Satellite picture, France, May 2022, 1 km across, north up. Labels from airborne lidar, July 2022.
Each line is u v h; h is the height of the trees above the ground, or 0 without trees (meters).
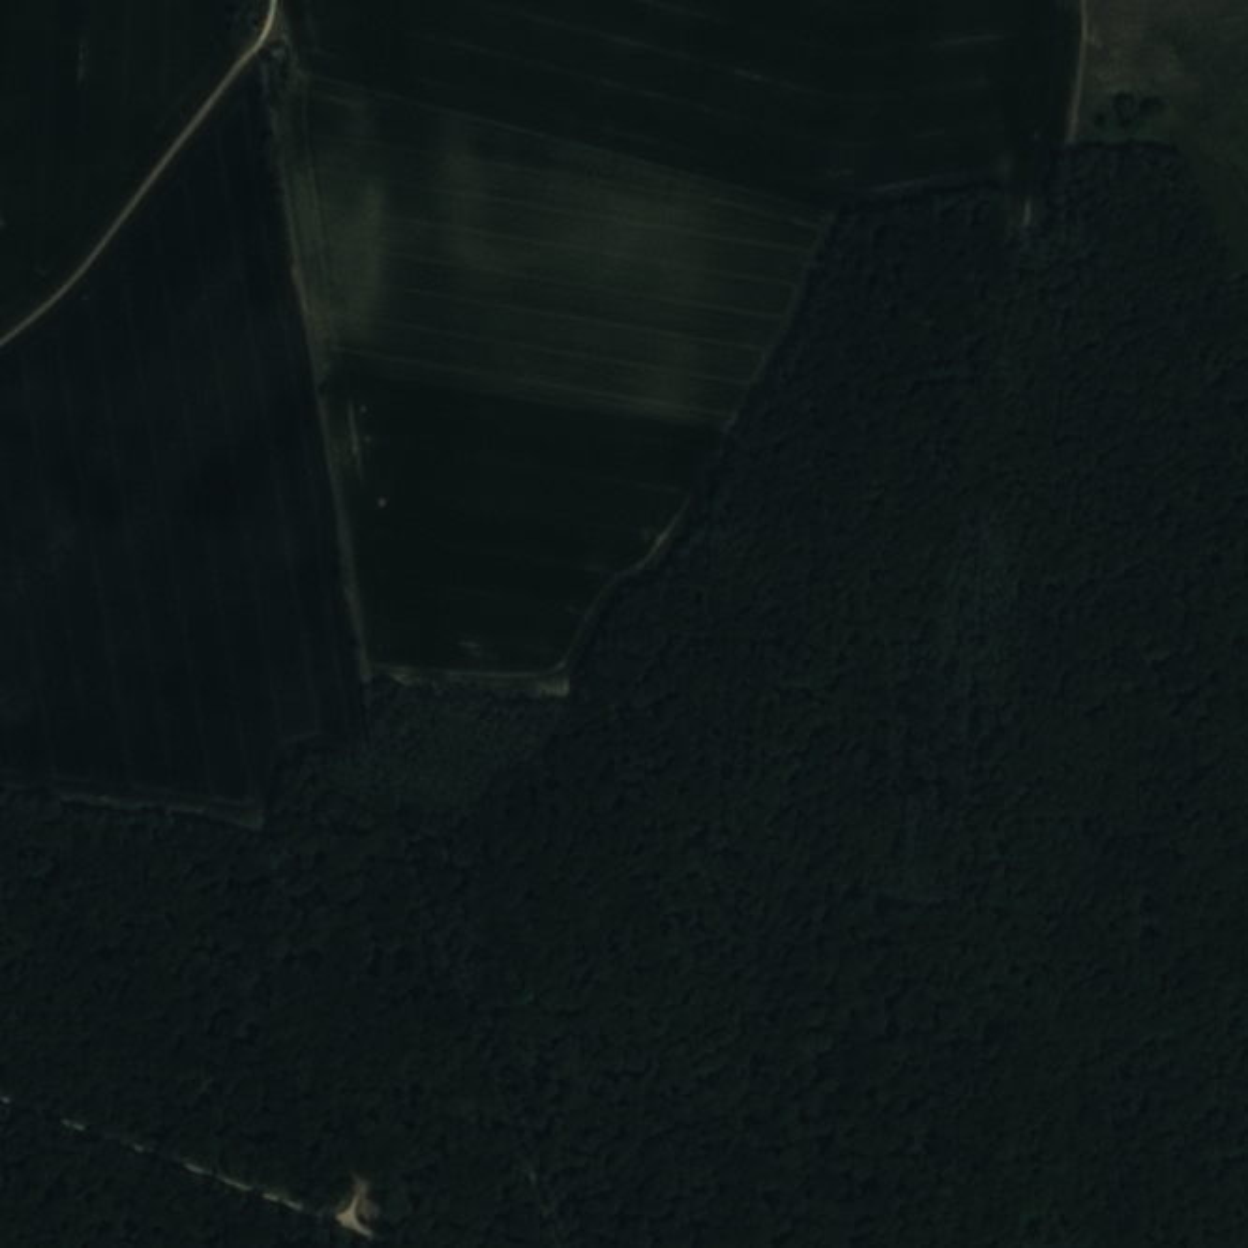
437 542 0
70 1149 19
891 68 0
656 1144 22
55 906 24
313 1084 28
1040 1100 23
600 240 0
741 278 0
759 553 19
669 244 0
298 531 0
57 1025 20
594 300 0
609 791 26
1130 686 22
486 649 0
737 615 26
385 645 0
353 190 0
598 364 0
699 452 0
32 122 0
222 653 0
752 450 17
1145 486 20
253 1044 27
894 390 23
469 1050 26
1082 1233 24
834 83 0
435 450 0
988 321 28
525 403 0
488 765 28
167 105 0
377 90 0
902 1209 25
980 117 0
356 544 0
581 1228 29
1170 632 24
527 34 0
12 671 0
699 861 25
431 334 0
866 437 23
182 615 0
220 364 0
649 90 0
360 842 29
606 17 0
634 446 0
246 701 0
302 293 0
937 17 0
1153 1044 22
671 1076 26
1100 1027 19
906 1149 21
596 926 25
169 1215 24
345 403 0
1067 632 23
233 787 0
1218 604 22
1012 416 22
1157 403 23
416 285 0
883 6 0
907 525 28
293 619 0
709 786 26
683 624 20
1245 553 23
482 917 28
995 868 23
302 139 0
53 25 0
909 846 25
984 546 22
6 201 0
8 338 0
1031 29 0
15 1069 17
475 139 0
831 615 22
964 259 26
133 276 0
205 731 0
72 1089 20
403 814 29
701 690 20
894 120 0
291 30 0
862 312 29
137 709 0
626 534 0
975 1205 25
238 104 0
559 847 29
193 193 0
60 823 26
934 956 23
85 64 0
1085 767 16
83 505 0
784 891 20
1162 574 22
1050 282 19
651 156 0
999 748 25
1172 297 17
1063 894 20
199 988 26
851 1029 27
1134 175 23
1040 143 0
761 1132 28
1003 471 17
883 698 24
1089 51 0
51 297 0
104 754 0
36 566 0
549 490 0
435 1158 26
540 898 29
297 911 25
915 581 23
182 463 0
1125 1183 27
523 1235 31
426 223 0
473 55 0
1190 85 0
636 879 23
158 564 0
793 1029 25
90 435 0
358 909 33
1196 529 21
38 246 0
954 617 20
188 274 0
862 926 29
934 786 20
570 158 0
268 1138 15
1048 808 19
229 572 0
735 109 0
